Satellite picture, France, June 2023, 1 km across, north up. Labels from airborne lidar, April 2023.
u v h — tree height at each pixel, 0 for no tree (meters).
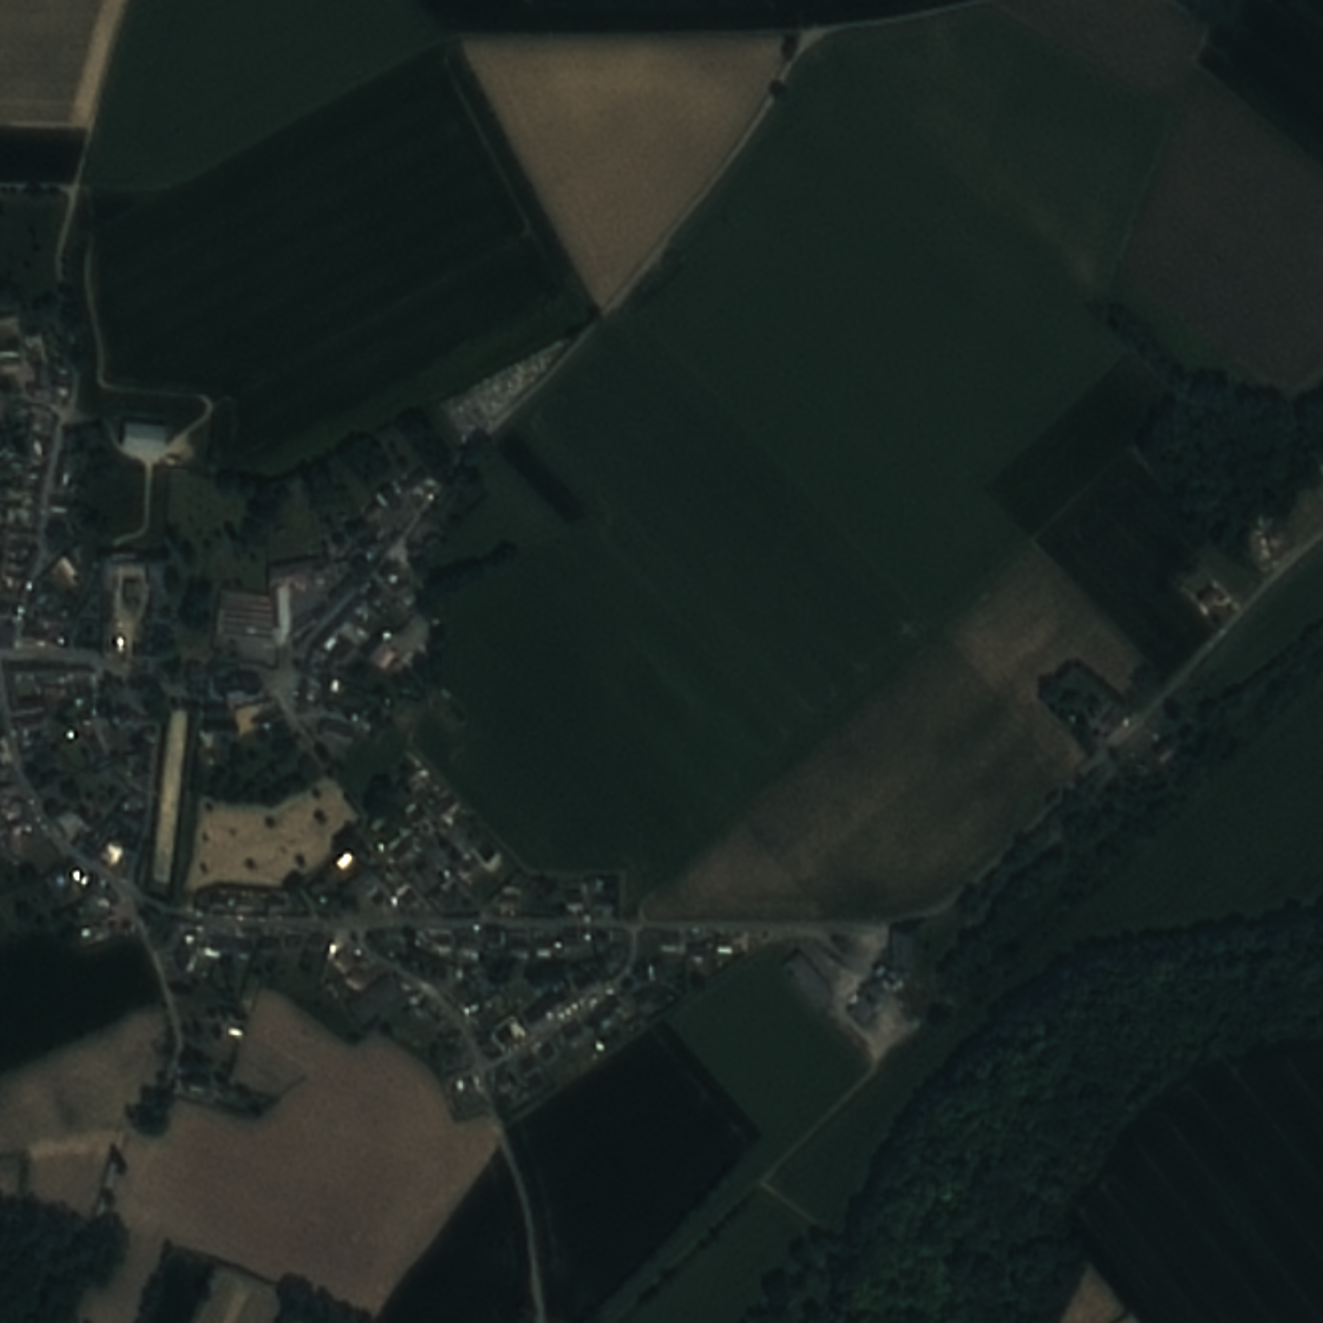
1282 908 0
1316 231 0
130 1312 0
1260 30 0
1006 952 17
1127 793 11
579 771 0
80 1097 0
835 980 0
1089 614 0
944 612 0
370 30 0
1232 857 0
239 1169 0
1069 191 0
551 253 0
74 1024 0
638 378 0
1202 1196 0
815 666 0
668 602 0
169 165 0
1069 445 0
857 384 0
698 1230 0
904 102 0
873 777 0
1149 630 0
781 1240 0
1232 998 23
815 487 0
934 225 0
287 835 0
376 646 0
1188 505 13
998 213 0
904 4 0
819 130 0
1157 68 0
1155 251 0
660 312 0
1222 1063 0
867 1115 0
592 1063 0
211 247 0
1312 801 0
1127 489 0
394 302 0
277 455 0
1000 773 0
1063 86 0
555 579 0
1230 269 0
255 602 0
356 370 0
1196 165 0
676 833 0
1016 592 0
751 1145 0
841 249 0
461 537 0
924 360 0
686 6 0
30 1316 17
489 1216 0
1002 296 0
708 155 0
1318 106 0
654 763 0
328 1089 0
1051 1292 15
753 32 0
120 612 0
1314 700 0
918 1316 19
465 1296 0
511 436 0
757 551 0
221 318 0
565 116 0
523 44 0
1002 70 0
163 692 17
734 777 0
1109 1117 19
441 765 0
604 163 0
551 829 0
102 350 0
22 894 0
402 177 0
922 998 0
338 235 0
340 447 8
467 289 0
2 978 0
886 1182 18
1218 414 20
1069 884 8
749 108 0
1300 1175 0
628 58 0
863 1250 22
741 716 0
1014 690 0
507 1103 8
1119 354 0
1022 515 0
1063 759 0
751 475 0
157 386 0
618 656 0
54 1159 0
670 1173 0
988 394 0
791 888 0
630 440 0
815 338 0
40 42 0
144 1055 0
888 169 0
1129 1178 0
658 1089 0
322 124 0
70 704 6
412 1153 0
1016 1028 20
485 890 0
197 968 0
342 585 0
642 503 0
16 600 0
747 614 0
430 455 12
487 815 0
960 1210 17
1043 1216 22
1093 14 0
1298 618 0
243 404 0
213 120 0
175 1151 0
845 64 0
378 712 7
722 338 0
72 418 0
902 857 0
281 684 0
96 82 0
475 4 0
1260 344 0
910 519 0
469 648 0
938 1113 19
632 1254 0
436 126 0
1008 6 0
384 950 0
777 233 0
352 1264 0
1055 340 0
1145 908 0
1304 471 17
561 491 0
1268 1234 0
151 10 0
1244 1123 0
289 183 0
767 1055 0
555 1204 0
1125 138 0
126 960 0
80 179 0
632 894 0
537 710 0
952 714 0
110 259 0
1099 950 23
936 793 0
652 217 0
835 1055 0
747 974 0
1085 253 0
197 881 0
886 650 0
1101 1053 20
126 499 0
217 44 0
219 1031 7
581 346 0
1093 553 0
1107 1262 0
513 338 0
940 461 0
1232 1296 0
